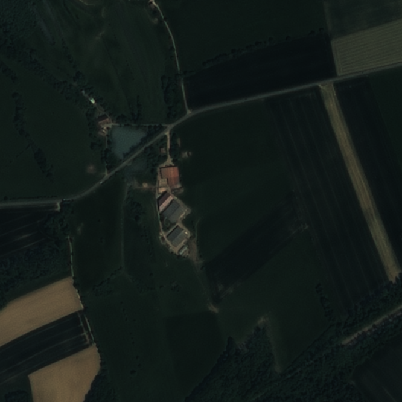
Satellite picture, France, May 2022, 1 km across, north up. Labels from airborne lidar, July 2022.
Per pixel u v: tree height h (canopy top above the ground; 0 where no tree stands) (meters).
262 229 0
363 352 26
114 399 24
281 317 0
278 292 0
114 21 0
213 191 0
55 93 0
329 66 0
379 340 26
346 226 0
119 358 0
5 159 0
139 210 22
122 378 0
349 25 0
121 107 0
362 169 0
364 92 0
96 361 0
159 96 0
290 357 0
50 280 0
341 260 0
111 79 0
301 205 0
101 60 0
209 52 0
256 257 0
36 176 0
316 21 0
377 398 0
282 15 0
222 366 25
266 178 0
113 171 0
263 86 0
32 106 0
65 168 0
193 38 0
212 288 0
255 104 0
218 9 0
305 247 0
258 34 0
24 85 0
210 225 0
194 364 0
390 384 0
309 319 0
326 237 0
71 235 0
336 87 0
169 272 0
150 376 0
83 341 0
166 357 0
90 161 0
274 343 0
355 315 15
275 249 0
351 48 0
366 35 0
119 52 0
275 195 0
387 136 0
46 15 0
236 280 0
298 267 0
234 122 0
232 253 0
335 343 18
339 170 0
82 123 0
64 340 0
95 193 0
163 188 0
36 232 0
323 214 0
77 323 0
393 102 0
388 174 0
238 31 0
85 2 0
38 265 27
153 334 0
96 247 0
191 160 0
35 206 0
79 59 0
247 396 22
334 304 0
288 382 16
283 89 0
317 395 21
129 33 0
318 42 0
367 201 0
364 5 0
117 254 0
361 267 0
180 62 0
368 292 0
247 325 0
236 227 0
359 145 0
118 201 0
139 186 0
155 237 0
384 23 0
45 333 0
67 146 0
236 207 0
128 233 0
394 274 0
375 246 0
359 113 0
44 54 0
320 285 10
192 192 0
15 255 0
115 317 0
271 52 0
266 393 12
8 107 0
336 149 0
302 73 0
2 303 19
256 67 0
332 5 0
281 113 0
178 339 0
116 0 0
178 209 0
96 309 0
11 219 0
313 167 0
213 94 0
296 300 0
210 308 0
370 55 0
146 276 0
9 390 0
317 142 0
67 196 0
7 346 0
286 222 0
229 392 25
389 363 0
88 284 0
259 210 0
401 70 0
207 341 0
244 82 0
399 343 0
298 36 0
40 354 0
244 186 0
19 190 0
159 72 0
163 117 0
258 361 27
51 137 0
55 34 0
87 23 0
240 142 0
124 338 0
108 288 8
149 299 0
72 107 0
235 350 12
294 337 0
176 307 0
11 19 19
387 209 0
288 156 0
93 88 7
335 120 0
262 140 0
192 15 0
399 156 0
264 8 0
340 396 28
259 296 0
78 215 0
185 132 0
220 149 0
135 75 0
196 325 0
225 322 0
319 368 17
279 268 0
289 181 0
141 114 9
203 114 0
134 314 0
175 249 0
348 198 0
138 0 0
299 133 0
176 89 16
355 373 0
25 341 0
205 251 0
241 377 24
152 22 0
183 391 0
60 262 26
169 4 0
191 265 0
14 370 0
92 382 0
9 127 0
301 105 0
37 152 11
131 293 0
